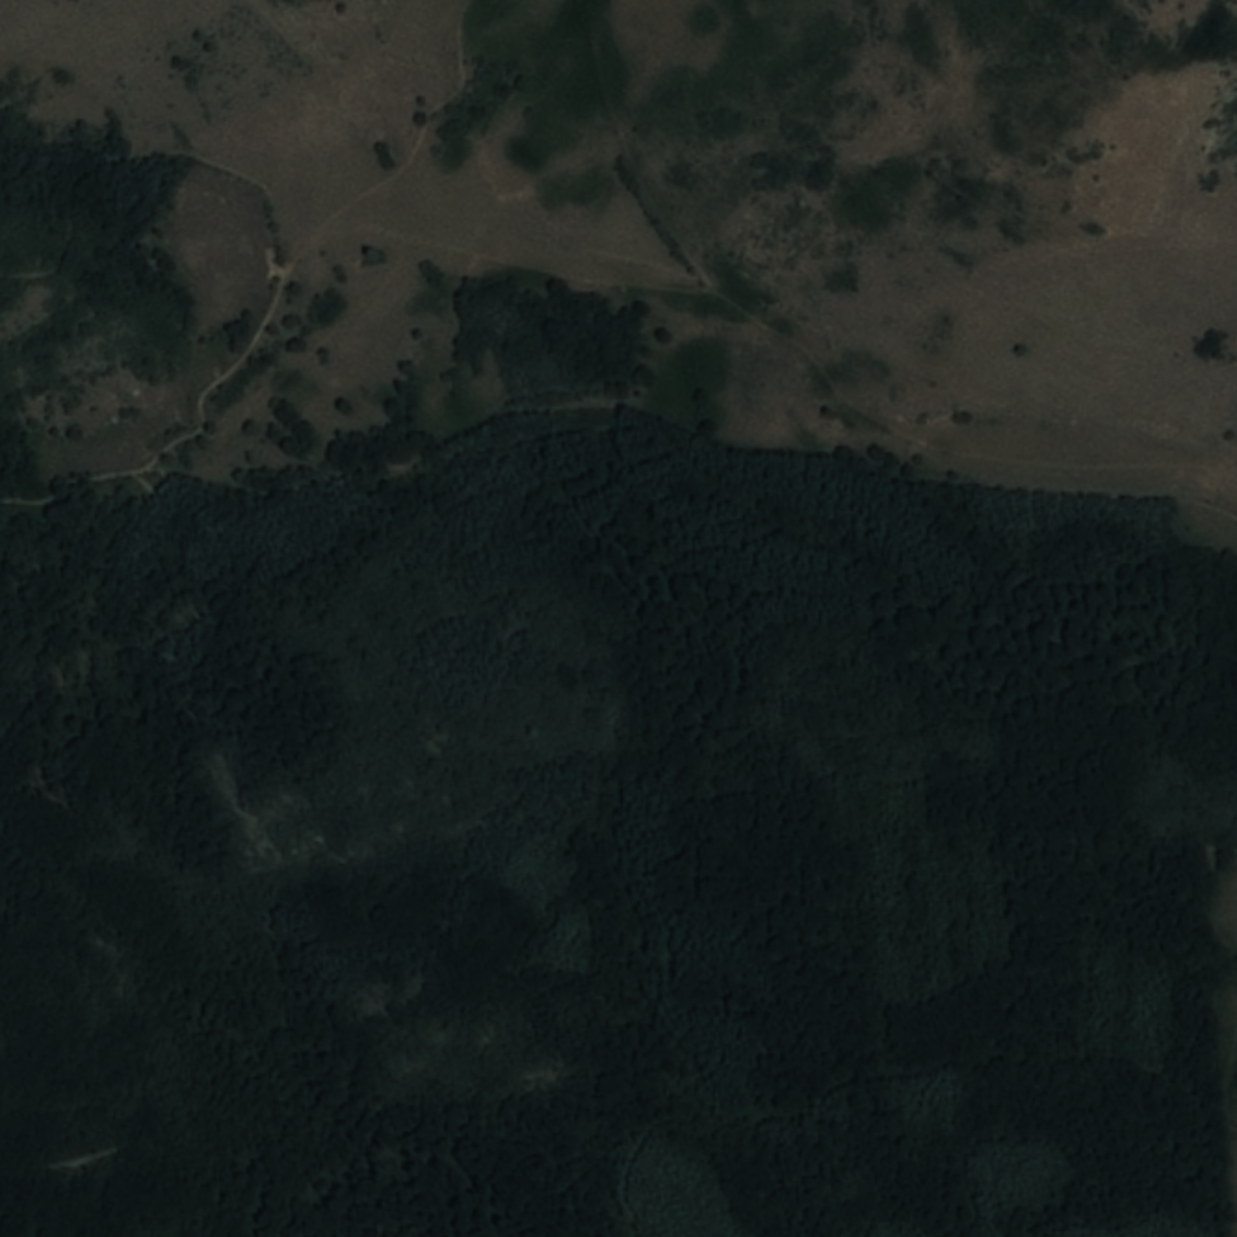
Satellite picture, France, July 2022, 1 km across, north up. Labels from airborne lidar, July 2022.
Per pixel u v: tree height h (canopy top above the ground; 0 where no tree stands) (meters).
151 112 0
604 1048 13
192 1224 7
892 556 26
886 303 0
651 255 0
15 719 13
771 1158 6
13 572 13
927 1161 11
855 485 18
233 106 0
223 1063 18
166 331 8
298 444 10
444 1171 20
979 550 21
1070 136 0
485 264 0
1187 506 0
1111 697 12
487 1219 21
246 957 9
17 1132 13
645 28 0
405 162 0
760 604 18
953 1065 13
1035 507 13
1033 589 20
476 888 14
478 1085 6
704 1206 9
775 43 0
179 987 18
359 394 0
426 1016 9
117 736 23
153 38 0
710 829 20
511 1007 7
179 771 20
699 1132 10
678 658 11
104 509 9
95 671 15
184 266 0
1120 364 0
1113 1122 12
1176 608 22
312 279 0
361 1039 12
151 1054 9
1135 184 0
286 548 13
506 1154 14
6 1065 12
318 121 0
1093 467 0
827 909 13
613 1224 11
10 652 10
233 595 9
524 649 10
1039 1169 12
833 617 20
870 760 9
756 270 0
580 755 8
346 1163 14
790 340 0
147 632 8
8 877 16
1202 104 0
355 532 14
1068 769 13
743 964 17
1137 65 0
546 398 6
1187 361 0
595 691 8
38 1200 16
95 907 10
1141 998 9
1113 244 0
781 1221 12
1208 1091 14
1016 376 0
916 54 0
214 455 0
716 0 0
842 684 7
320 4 0
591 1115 15
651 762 10
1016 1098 13
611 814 13
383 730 6
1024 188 0
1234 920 0
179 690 13
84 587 6
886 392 0
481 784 5
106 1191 10
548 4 0
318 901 17
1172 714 18
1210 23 10
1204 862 10
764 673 16
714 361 0
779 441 0
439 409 0
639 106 0
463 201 0
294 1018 12
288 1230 15
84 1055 6
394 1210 17
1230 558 9
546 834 14
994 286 0
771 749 12
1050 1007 15
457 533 11
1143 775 11
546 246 0
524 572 19
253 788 10
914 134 0
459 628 10
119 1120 8
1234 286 0
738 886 17
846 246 0
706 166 0
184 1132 12
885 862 12
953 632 23
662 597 21
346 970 14
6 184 16
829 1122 10
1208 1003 8
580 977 11
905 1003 10
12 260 7
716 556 25
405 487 7
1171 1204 18
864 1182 7
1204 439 0
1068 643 20
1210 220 0
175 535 14
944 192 0
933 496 19
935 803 16
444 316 0
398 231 0
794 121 0
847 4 0
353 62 0
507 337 6
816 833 17
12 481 6
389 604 6
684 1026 22
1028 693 18
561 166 0
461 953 14
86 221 8
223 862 12
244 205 0
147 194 16
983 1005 17
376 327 0
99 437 0
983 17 0
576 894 13
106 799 8
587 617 7
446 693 7
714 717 21
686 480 24
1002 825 19
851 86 0
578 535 18
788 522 9
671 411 0
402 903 16
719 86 0
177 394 0
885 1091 17
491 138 0
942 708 11
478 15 0
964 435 0
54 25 0
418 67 0
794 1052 15
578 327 7
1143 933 12
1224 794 6
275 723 18
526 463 13
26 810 18
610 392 7
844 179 0
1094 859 6
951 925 9
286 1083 11
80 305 6
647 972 21
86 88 0
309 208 0
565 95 0
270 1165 20
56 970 9
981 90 0
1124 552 16
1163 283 0
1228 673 18
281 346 7
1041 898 16
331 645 6
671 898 22
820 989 17
